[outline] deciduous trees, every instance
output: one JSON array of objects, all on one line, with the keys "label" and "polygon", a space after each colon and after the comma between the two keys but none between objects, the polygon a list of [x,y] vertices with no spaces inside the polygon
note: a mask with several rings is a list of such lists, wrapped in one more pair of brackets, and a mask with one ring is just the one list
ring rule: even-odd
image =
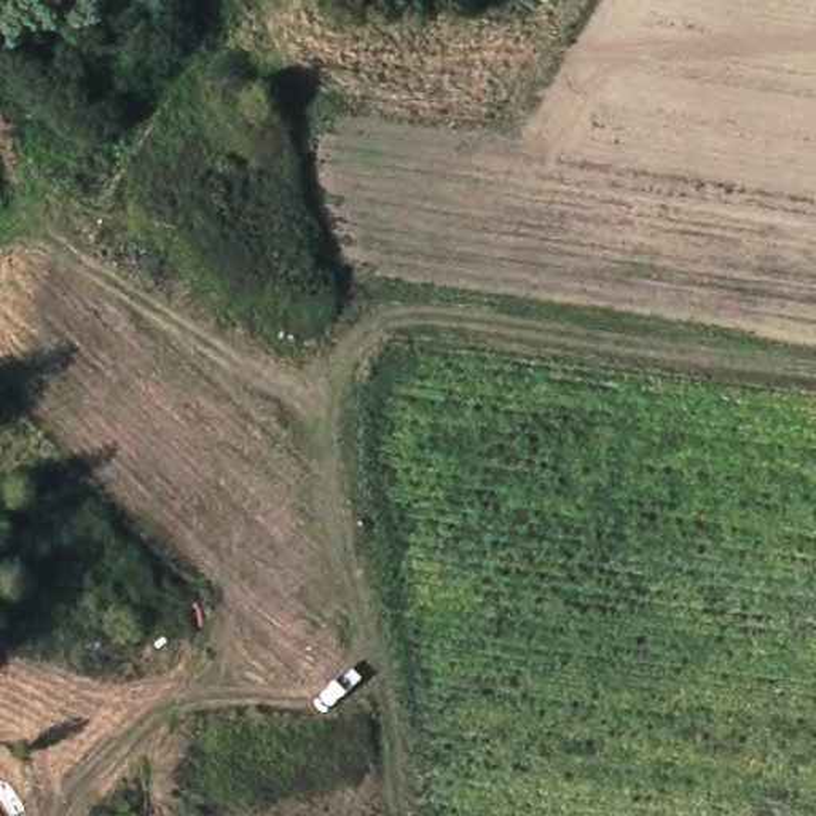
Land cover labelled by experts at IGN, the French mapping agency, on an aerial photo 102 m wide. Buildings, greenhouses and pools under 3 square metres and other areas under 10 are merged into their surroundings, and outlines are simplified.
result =
[{"label": "deciduous trees", "polygon": [[421,16],[427,22],[434,22],[440,13],[459,19],[475,16],[469,13],[469,0],[316,0],[319,10],[332,16],[332,29],[338,32],[367,22],[383,26],[386,19],[398,22],[402,16]]},{"label": "deciduous trees", "polygon": [[0,0],[0,45],[16,48],[16,38],[26,29],[48,29],[64,41],[77,45],[80,29],[96,26],[96,10],[102,16],[118,16],[131,0]]},{"label": "deciduous trees", "polygon": [[175,0],[169,45],[179,48],[179,54],[191,57],[198,48],[214,51],[226,38],[239,29],[242,13],[261,6],[258,0]]},{"label": "deciduous trees", "polygon": [[226,73],[245,86],[239,92],[242,115],[252,121],[265,121],[271,108],[265,86],[277,70],[271,64],[255,64],[249,51],[242,51],[226,64]]}]

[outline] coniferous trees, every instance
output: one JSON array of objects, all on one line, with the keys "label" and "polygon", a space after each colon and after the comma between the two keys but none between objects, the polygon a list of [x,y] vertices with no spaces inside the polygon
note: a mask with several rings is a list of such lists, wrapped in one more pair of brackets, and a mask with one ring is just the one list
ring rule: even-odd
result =
[{"label": "coniferous trees", "polygon": [[22,507],[26,478],[19,475],[19,469],[6,469],[0,462],[0,500],[6,507]]},{"label": "coniferous trees", "polygon": [[13,561],[0,564],[0,596],[19,599],[16,580],[22,577],[22,567]]},{"label": "coniferous trees", "polygon": [[115,143],[153,115],[163,89],[188,67],[191,57],[179,54],[179,48],[169,45],[175,0],[131,0],[118,16],[102,16],[96,10],[96,26],[80,29],[77,45],[64,41],[48,29],[26,29],[16,38],[16,48],[0,45],[0,115],[22,134],[22,140],[13,143],[19,156],[38,166],[38,175],[57,179],[61,198],[99,194],[99,185],[115,172]]}]

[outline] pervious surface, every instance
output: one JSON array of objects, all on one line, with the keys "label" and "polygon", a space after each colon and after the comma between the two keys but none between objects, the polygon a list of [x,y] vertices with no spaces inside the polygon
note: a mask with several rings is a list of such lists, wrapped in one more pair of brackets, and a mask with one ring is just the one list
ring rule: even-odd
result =
[{"label": "pervious surface", "polygon": [[555,83],[567,57],[567,48],[577,45],[580,32],[590,26],[602,0],[539,0],[536,13],[520,22],[494,26],[485,16],[475,16],[459,19],[440,13],[434,22],[427,22],[421,16],[402,16],[398,22],[386,19],[383,26],[367,22],[338,32],[332,29],[332,16],[319,10],[316,0],[258,0],[261,6],[242,13],[239,29],[226,38],[230,48],[242,51],[249,51],[255,64],[271,64],[277,70],[265,86],[271,108],[287,124],[290,150],[296,159],[296,194],[312,220],[303,230],[303,236],[309,242],[312,265],[335,277],[332,290],[332,300],[347,309],[354,281],[354,268],[344,261],[338,249],[332,217],[325,210],[325,191],[316,172],[316,137],[332,134],[338,118],[376,118],[386,124],[513,134],[542,105],[545,89]]}]

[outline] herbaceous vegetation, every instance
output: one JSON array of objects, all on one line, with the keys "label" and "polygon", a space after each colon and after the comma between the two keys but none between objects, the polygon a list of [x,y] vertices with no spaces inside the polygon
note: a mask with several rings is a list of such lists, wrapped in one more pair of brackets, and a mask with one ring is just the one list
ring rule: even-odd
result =
[{"label": "herbaceous vegetation", "polygon": [[188,743],[185,755],[172,768],[172,797],[185,806],[185,813],[194,816],[226,816],[226,806],[268,810],[281,800],[312,800],[319,794],[354,787],[367,778],[373,765],[383,762],[383,711],[376,698],[379,682],[360,676],[328,711],[239,704],[201,708],[169,717],[169,730]]},{"label": "herbaceous vegetation", "polygon": [[395,277],[354,281],[347,309],[332,300],[332,290],[322,281],[290,284],[252,277],[245,290],[233,290],[217,277],[217,271],[201,265],[201,258],[182,233],[166,230],[153,214],[143,214],[137,207],[140,191],[153,182],[153,175],[163,172],[166,159],[185,147],[191,134],[226,137],[233,153],[245,156],[249,169],[258,169],[261,163],[255,137],[265,121],[252,121],[242,115],[239,92],[245,86],[226,73],[226,64],[242,51],[230,48],[226,38],[214,51],[198,48],[191,57],[188,67],[163,89],[153,115],[115,143],[115,172],[99,185],[99,194],[61,198],[57,179],[38,175],[38,166],[19,156],[13,143],[22,140],[22,134],[0,115],[0,249],[22,245],[38,233],[41,223],[54,223],[80,252],[102,261],[115,261],[124,274],[150,274],[153,281],[188,281],[188,316],[194,322],[210,322],[217,335],[230,328],[245,328],[249,338],[265,344],[265,354],[284,357],[296,370],[306,367],[309,357],[328,357],[338,344],[338,335],[351,332],[379,303],[440,303],[478,306],[520,319],[571,322],[593,332],[797,357],[800,363],[794,376],[816,379],[816,344],[791,344],[736,328],[615,312],[602,306],[545,303],[440,284],[408,284]]},{"label": "herbaceous vegetation", "polygon": [[143,679],[163,676],[179,663],[182,641],[153,638],[143,647]]},{"label": "herbaceous vegetation", "polygon": [[102,797],[89,810],[89,816],[150,816],[153,762],[143,759],[140,765],[134,765],[128,778],[121,778],[121,784],[108,797]]},{"label": "herbaceous vegetation", "polygon": [[520,22],[536,13],[539,0],[469,0],[469,13],[475,16],[485,16],[494,26]]}]

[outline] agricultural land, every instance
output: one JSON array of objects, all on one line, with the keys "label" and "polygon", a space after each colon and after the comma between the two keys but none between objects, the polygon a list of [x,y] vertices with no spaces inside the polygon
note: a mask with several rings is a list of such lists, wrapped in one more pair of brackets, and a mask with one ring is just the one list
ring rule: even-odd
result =
[{"label": "agricultural land", "polygon": [[185,806],[172,797],[172,768],[185,755],[188,743],[169,730],[169,717],[201,708],[239,704],[328,711],[360,676],[379,682],[376,698],[383,711],[383,762],[373,765],[367,778],[354,787],[319,794],[312,800],[281,800],[268,810],[226,806],[226,816],[816,816],[816,379],[794,376],[800,363],[797,357],[593,332],[571,322],[520,319],[478,306],[440,303],[379,303],[351,332],[338,335],[338,344],[328,357],[309,357],[306,367],[296,370],[284,357],[265,354],[265,344],[249,338],[245,328],[230,328],[217,335],[210,322],[194,322],[188,316],[188,281],[153,281],[150,274],[124,274],[115,261],[102,261],[80,252],[54,223],[41,223],[38,233],[22,245],[0,249],[0,430],[10,421],[22,418],[29,408],[35,408],[45,421],[57,427],[67,449],[73,456],[83,456],[89,469],[99,472],[99,478],[121,507],[159,523],[169,532],[169,539],[182,548],[182,555],[188,555],[201,567],[201,574],[223,590],[220,609],[194,602],[198,634],[182,641],[179,663],[163,676],[143,679],[105,682],[67,673],[57,663],[29,663],[19,657],[6,660],[0,653],[0,816],[89,816],[89,810],[102,797],[108,797],[121,784],[121,778],[128,778],[134,765],[140,765],[143,759],[153,762],[150,816],[194,816],[185,813]]},{"label": "agricultural land", "polygon": [[545,303],[602,306],[615,312],[736,328],[791,344],[816,344],[816,0],[602,0],[590,26],[580,32],[577,45],[567,48],[567,57],[555,83],[545,89],[542,105],[513,134],[386,124],[376,118],[338,118],[332,134],[316,137],[316,172],[325,191],[325,210],[332,217],[338,249],[344,261],[354,268],[354,281],[395,277],[408,284],[440,284]]}]

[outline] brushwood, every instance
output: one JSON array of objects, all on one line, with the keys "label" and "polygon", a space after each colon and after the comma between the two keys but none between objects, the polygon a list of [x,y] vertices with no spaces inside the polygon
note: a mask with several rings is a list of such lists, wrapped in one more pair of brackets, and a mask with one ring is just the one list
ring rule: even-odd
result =
[{"label": "brushwood", "polygon": [[153,182],[140,191],[137,207],[143,214],[153,214],[166,230],[182,233],[201,258],[201,265],[217,271],[217,277],[233,290],[245,290],[252,277],[290,284],[322,281],[332,290],[335,277],[312,265],[309,242],[303,236],[303,230],[312,220],[296,194],[296,159],[290,150],[287,124],[271,108],[265,121],[255,137],[261,163],[258,169],[249,169],[245,156],[233,153],[226,137],[191,134],[185,147],[166,159],[163,172],[153,175]]},{"label": "brushwood", "polygon": [[6,660],[19,657],[29,663],[57,663],[67,673],[105,682],[143,679],[143,647],[153,638],[182,641],[198,634],[194,602],[220,609],[223,590],[201,574],[201,567],[188,555],[182,555],[182,548],[169,539],[169,532],[159,523],[121,507],[99,478],[99,472],[89,469],[83,456],[73,456],[67,449],[57,427],[45,421],[35,408],[29,408],[22,418],[10,421],[0,430],[0,462],[6,469],[19,469],[19,475],[26,478],[22,507],[6,507],[0,500],[0,564],[13,561],[22,567],[22,577],[16,580],[19,599],[0,596],[0,653]]}]

